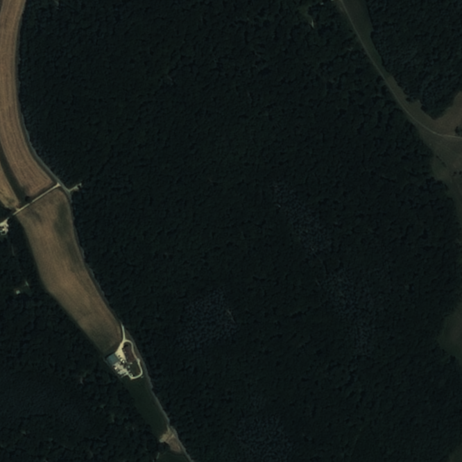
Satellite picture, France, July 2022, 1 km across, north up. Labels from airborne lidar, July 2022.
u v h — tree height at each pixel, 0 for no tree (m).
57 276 0
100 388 29
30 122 23
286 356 27
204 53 29
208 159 21
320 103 23
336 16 26
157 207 24
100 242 26
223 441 28
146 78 24
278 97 30
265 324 29
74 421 14
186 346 28
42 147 22
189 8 26
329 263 31
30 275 12
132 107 33
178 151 26
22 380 11
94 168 32
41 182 0
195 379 25
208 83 27
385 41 27
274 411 24
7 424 12
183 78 30
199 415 23
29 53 21
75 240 0
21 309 30
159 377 22
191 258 20
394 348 27
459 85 23
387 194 28
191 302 25
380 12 30
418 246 28
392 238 25
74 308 0
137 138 26
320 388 27
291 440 27
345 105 29
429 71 21
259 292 25
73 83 27
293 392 28
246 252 24
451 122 0
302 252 27
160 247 25
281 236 28
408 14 24
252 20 26
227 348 27
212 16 26
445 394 18
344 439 28
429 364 23
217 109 24
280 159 28
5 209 18
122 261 26
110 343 0
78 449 28
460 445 14
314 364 28
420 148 20
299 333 25
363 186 27
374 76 32
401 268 28
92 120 27
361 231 25
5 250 33
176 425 22
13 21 0
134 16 32
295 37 29
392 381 21
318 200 25
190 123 25
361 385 26
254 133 18
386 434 18
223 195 23
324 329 24
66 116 26
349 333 28
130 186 30
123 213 24
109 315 0
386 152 7
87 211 30
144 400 0
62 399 12
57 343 30
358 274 24
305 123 26
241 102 25
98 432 13
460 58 21
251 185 27
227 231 26
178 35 23
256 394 24
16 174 0
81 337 17
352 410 30
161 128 27
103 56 29
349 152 28
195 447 22
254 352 26
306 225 24
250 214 23
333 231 25
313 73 32
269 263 27
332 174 27
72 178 20
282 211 25
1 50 0
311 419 28
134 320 31
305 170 28
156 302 20
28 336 29
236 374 26
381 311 24
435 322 29
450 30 23
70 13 18
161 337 26
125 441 28
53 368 27
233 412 24
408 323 29
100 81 29
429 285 23
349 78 31
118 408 27
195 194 23
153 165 26
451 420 17
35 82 28
